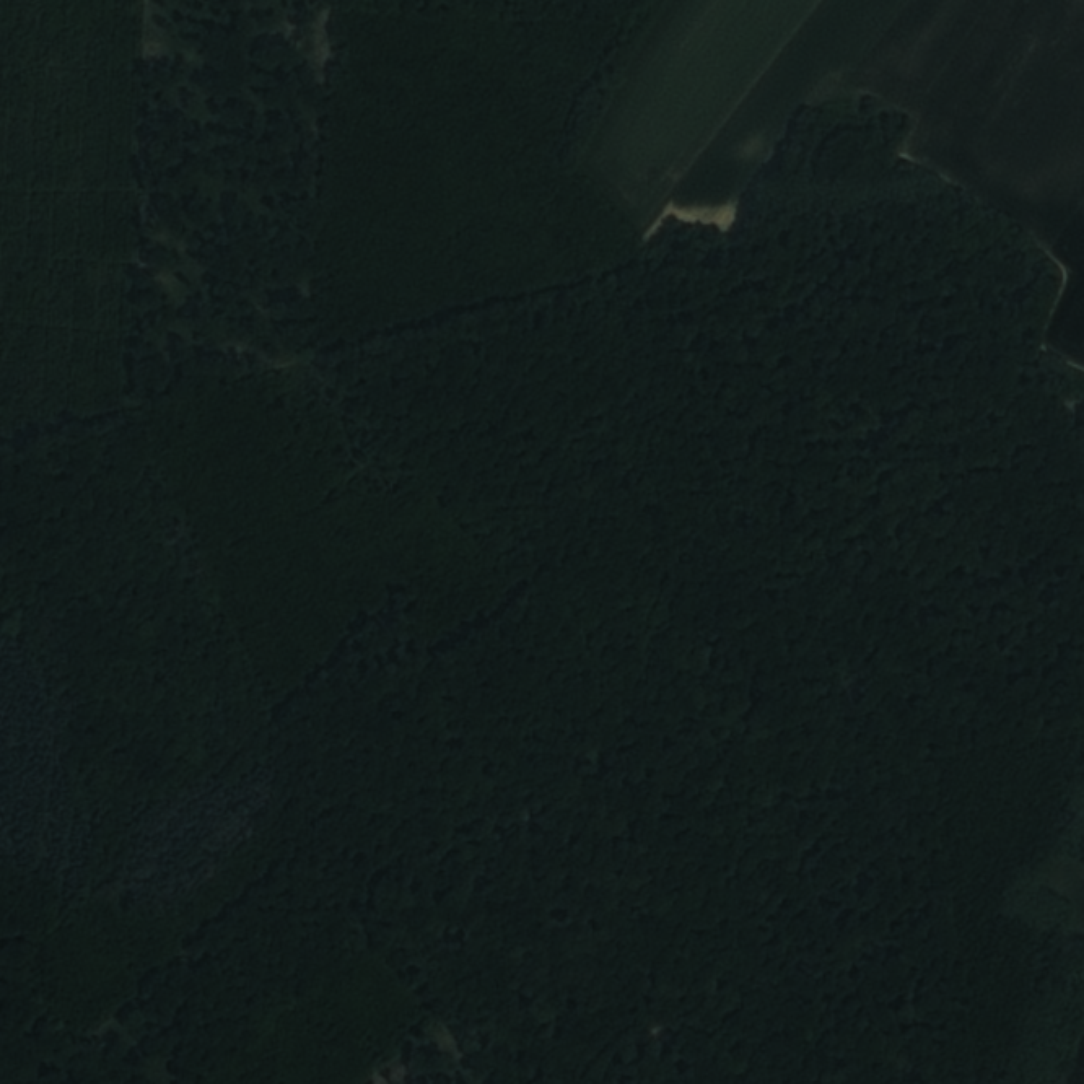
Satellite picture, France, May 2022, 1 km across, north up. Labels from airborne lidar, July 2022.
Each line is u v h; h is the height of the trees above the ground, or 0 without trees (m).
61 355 6
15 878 20
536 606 24
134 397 21
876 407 24
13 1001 23
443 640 8
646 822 27
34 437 30
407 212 10
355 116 12
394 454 22
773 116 0
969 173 0
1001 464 28
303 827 20
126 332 7
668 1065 25
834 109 6
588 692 28
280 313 23
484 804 26
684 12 0
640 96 0
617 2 20
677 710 25
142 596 27
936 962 33
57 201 6
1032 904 23
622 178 0
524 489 27
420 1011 7
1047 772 21
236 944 21
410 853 26
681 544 27
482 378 26
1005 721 26
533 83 8
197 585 22
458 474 25
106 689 23
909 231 27
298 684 9
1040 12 0
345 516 9
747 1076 27
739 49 0
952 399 28
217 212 23
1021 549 30
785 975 25
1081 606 30
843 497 28
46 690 22
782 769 25
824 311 22
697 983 27
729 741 29
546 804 30
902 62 0
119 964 10
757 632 29
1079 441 30
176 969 22
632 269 23
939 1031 27
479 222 10
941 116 0
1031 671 28
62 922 11
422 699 29
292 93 20
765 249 27
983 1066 18
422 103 12
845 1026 34
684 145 0
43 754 21
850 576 27
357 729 24
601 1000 26
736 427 28
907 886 28
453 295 13
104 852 22
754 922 23
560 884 25
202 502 9
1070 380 18
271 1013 13
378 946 29
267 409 11
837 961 30
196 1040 24
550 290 17
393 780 24
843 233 28
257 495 10
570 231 13
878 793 23
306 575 10
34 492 23
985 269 24
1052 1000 20
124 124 7
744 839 23
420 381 24
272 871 20
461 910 28
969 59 0
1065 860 21
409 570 13
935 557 30
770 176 21
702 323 29
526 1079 16
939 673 21
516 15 18
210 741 22
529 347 20
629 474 26
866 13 0
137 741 22
